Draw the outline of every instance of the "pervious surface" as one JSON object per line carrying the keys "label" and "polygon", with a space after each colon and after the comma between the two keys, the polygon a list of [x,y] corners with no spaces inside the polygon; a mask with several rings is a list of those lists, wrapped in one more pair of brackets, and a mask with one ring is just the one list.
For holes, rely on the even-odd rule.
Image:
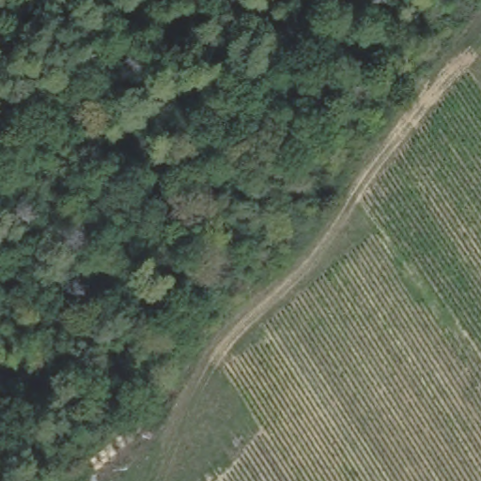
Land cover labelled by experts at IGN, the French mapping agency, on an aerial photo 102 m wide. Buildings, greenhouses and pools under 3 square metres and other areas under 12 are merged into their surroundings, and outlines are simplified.
{"label": "pervious surface", "polygon": [[442,100],[443,94],[453,86],[458,77],[466,73],[468,66],[475,60],[473,51],[457,54],[438,73],[432,86],[421,92],[417,101],[413,101],[410,111],[396,120],[393,130],[381,143],[374,158],[366,163],[365,169],[353,180],[344,199],[342,207],[327,224],[321,237],[314,242],[314,246],[306,252],[306,256],[295,265],[293,271],[287,272],[282,282],[274,284],[271,291],[256,306],[252,306],[210,351],[210,363],[218,366],[227,355],[227,351],[239,342],[240,336],[271,308],[272,304],[282,301],[293,287],[318,267],[325,250],[333,244],[338,231],[348,225],[355,209],[361,205],[365,214],[370,212],[372,182],[380,175],[385,175],[385,165],[395,156],[404,139],[410,137],[411,132],[419,126],[419,122],[427,116],[428,109]]}

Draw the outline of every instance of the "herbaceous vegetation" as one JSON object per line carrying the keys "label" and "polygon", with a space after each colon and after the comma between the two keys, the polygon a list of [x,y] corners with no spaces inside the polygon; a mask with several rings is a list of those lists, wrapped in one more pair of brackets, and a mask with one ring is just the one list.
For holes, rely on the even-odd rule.
{"label": "herbaceous vegetation", "polygon": [[481,47],[473,51],[475,60],[468,66],[466,73],[481,90]]}
{"label": "herbaceous vegetation", "polygon": [[218,318],[214,319],[210,327],[203,327],[199,331],[201,344],[205,349],[199,355],[197,363],[186,368],[180,385],[173,389],[178,396],[165,425],[160,428],[141,428],[130,438],[109,438],[107,447],[90,458],[94,466],[90,481],[207,481],[207,475],[224,472],[231,464],[231,460],[237,457],[237,443],[246,445],[250,442],[252,434],[257,432],[246,406],[240,406],[237,402],[237,395],[231,383],[225,378],[224,368],[218,366],[210,363],[210,351],[252,306],[256,306],[271,291],[274,284],[259,291],[250,301],[242,295],[235,295],[233,301],[225,306],[224,312],[218,314]]}

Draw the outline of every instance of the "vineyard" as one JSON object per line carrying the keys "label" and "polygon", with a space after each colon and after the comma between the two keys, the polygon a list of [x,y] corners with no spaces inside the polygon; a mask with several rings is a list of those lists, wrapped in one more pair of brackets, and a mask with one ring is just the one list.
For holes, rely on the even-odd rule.
{"label": "vineyard", "polygon": [[246,445],[237,443],[237,457],[231,460],[231,464],[224,472],[207,475],[207,481],[481,481],[481,90],[466,73],[458,77],[453,86],[443,94],[442,100],[428,109],[427,116],[419,122],[419,126],[411,132],[410,137],[404,139],[395,156],[385,165],[385,175],[380,175],[372,182],[370,212],[365,214],[361,205],[355,209],[348,225],[338,231],[333,244],[325,250],[318,267],[293,287],[282,301],[272,304],[271,308],[240,336],[239,342],[227,351],[227,355],[218,366],[224,368],[225,378],[231,383],[237,395],[237,402],[240,406],[246,406],[257,432],[252,434],[250,442]]}

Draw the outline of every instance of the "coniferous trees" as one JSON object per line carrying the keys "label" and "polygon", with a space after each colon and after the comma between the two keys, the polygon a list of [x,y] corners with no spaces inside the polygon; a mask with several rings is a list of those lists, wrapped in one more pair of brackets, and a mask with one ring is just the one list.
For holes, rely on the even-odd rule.
{"label": "coniferous trees", "polygon": [[105,370],[109,351],[124,349],[132,353],[135,368],[141,368],[143,361],[150,357],[150,353],[163,353],[173,349],[173,340],[165,334],[158,336],[154,329],[150,329],[148,323],[145,327],[135,325],[132,329],[130,319],[116,316],[115,321],[105,323],[103,329],[96,325],[90,333],[90,338],[98,342],[96,363]]}
{"label": "coniferous trees", "polygon": [[156,163],[177,163],[182,158],[195,156],[197,150],[190,143],[190,137],[184,133],[180,137],[158,137],[150,152],[150,158]]}
{"label": "coniferous trees", "polygon": [[36,473],[34,464],[6,472],[4,481],[28,481]]}
{"label": "coniferous trees", "polygon": [[36,278],[41,280],[43,286],[49,282],[66,282],[66,269],[70,267],[71,261],[86,252],[81,246],[83,231],[71,229],[68,239],[56,242],[53,252],[41,257],[41,261],[49,263],[47,271],[36,271]]}
{"label": "coniferous trees", "polygon": [[83,0],[81,6],[71,15],[75,17],[75,23],[85,26],[88,30],[100,30],[103,17],[103,8],[94,4],[92,0]]}
{"label": "coniferous trees", "polygon": [[75,387],[71,385],[81,374],[58,372],[51,380],[54,400],[47,408],[45,421],[41,421],[39,443],[53,442],[56,434],[66,434],[73,421],[73,413],[85,404],[83,396],[77,395]]}
{"label": "coniferous trees", "polygon": [[218,36],[222,28],[209,21],[195,28],[195,34],[205,43],[218,45]]}
{"label": "coniferous trees", "polygon": [[250,36],[244,32],[239,39],[235,39],[229,45],[227,56],[231,60],[237,60],[240,51],[248,45]]}
{"label": "coniferous trees", "polygon": [[173,287],[175,280],[171,276],[162,276],[160,280],[152,278],[150,274],[154,271],[154,261],[147,259],[133,272],[130,287],[135,297],[145,299],[147,303],[156,303],[162,299],[169,287]]}
{"label": "coniferous trees", "polygon": [[306,252],[314,246],[314,242],[321,237],[327,224],[342,207],[344,199],[334,195],[333,199],[327,201],[325,210],[306,207],[303,201],[299,201],[280,214],[261,214],[259,205],[237,203],[233,214],[225,216],[222,210],[216,210],[212,195],[197,195],[194,192],[188,195],[171,195],[169,203],[173,207],[173,216],[184,220],[184,224],[192,225],[201,222],[203,216],[207,218],[205,252],[201,254],[199,267],[192,278],[197,284],[207,287],[209,312],[216,310],[218,314],[224,312],[225,306],[233,301],[235,295],[242,295],[250,301],[259,291],[274,284],[282,282],[287,272],[293,271],[295,265],[306,256]]}
{"label": "coniferous trees", "polygon": [[406,0],[400,17],[411,21],[415,13],[423,11],[428,24],[438,32],[436,36],[423,39],[415,49],[408,47],[404,51],[404,68],[400,71],[406,73],[408,79],[413,81],[417,85],[417,90],[421,92],[432,86],[438,73],[457,54],[473,51],[481,47],[481,0]]}
{"label": "coniferous trees", "polygon": [[26,229],[21,227],[23,218],[19,212],[0,212],[0,242],[4,239],[21,239]]}
{"label": "coniferous trees", "polygon": [[250,54],[250,77],[257,77],[259,73],[267,70],[269,53],[276,47],[276,36],[271,34],[263,36],[261,45]]}
{"label": "coniferous trees", "polygon": [[124,133],[143,130],[147,126],[148,116],[160,113],[165,101],[173,100],[182,92],[209,85],[222,71],[222,66],[216,64],[210,66],[209,70],[195,73],[188,83],[173,83],[175,70],[160,71],[156,77],[147,77],[145,86],[128,88],[118,101],[86,101],[83,111],[75,115],[75,120],[85,124],[88,137],[105,135],[109,141],[116,141]]}
{"label": "coniferous trees", "polygon": [[75,70],[75,66],[90,60],[96,51],[92,45],[83,49],[79,45],[81,36],[77,32],[64,30],[60,26],[62,19],[53,19],[36,34],[36,43],[24,45],[15,53],[15,62],[9,64],[8,70],[0,70],[0,100],[17,103],[28,98],[34,90],[62,90],[68,85],[68,77],[71,71]]}

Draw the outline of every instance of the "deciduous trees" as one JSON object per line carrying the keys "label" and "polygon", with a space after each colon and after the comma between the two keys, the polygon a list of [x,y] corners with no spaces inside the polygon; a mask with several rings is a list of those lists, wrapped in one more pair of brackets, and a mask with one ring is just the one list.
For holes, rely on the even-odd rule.
{"label": "deciduous trees", "polygon": [[[365,169],[366,163],[374,158],[381,143],[393,130],[396,120],[410,111],[413,101],[417,101],[421,92],[417,90],[417,85],[413,81],[408,79],[406,73],[400,71],[404,68],[404,51],[408,47],[415,49],[423,39],[436,36],[438,32],[428,24],[423,11],[415,13],[411,21],[400,17],[406,0],[92,0],[94,4],[103,8],[103,17],[100,30],[88,30],[85,26],[75,23],[75,17],[71,15],[81,6],[83,0],[0,0],[0,70],[8,70],[9,64],[15,62],[15,53],[24,45],[36,43],[36,34],[53,19],[62,19],[60,26],[64,30],[77,32],[81,36],[79,45],[83,49],[92,45],[96,51],[90,60],[75,66],[75,70],[71,71],[68,77],[68,85],[62,90],[34,90],[28,98],[17,103],[0,100],[0,212],[19,212],[23,218],[21,227],[26,229],[21,239],[4,239],[0,242],[0,481],[4,481],[6,472],[34,464],[36,473],[28,481],[90,481],[94,466],[90,458],[107,447],[109,438],[130,438],[141,428],[160,428],[165,425],[178,396],[173,389],[180,385],[186,368],[197,363],[199,355],[205,349],[201,344],[199,331],[203,327],[210,327],[214,319],[218,318],[218,314],[216,310],[209,312],[207,287],[197,284],[192,278],[199,267],[201,254],[205,252],[207,218],[203,216],[201,222],[192,225],[184,224],[184,220],[173,216],[173,207],[169,203],[171,195],[188,195],[194,192],[197,195],[212,195],[216,210],[222,210],[225,216],[233,214],[237,203],[259,205],[261,214],[280,214],[299,201],[303,201],[306,207],[325,210],[327,201],[333,199],[334,195],[344,199],[353,180]],[[222,28],[218,36],[218,45],[205,43],[195,34],[195,28],[209,21]],[[229,45],[235,39],[239,39],[244,32],[250,36],[248,45],[240,51],[237,60],[231,60],[227,56]],[[261,45],[263,36],[271,34],[276,36],[276,47],[269,53],[267,70],[259,73],[257,77],[250,77],[250,54]],[[124,133],[116,141],[109,141],[105,135],[88,137],[85,124],[75,120],[75,115],[83,111],[86,101],[118,101],[128,88],[145,86],[147,77],[156,77],[160,71],[175,70],[173,83],[188,83],[195,73],[209,70],[210,66],[216,64],[222,66],[222,71],[209,85],[182,92],[173,100],[165,101],[160,113],[148,116],[147,126],[143,130]],[[190,143],[197,150],[195,156],[182,158],[177,163],[156,163],[150,158],[150,152],[158,137],[180,137],[184,133],[190,137]],[[43,286],[41,280],[36,278],[36,271],[47,271],[49,263],[41,261],[41,257],[53,252],[56,242],[68,239],[71,229],[83,231],[81,246],[86,252],[71,261],[70,267],[66,269],[66,282],[49,282]],[[150,274],[152,278],[160,280],[162,276],[171,276],[175,280],[173,287],[169,287],[162,299],[156,303],[147,303],[145,299],[135,297],[130,287],[133,272],[147,259],[154,261],[154,271]],[[150,357],[143,361],[141,368],[135,368],[132,353],[124,349],[109,351],[105,370],[96,363],[98,342],[90,338],[90,333],[96,325],[103,329],[105,323],[115,321],[116,316],[130,319],[132,329],[135,325],[145,327],[148,323],[150,329],[154,329],[158,336],[165,334],[173,340],[173,349],[163,353],[150,353]],[[75,387],[77,395],[83,396],[85,404],[73,413],[73,421],[66,434],[56,434],[53,442],[39,443],[41,421],[45,421],[47,408],[54,400],[51,380],[58,372],[81,374],[71,385]]]}

